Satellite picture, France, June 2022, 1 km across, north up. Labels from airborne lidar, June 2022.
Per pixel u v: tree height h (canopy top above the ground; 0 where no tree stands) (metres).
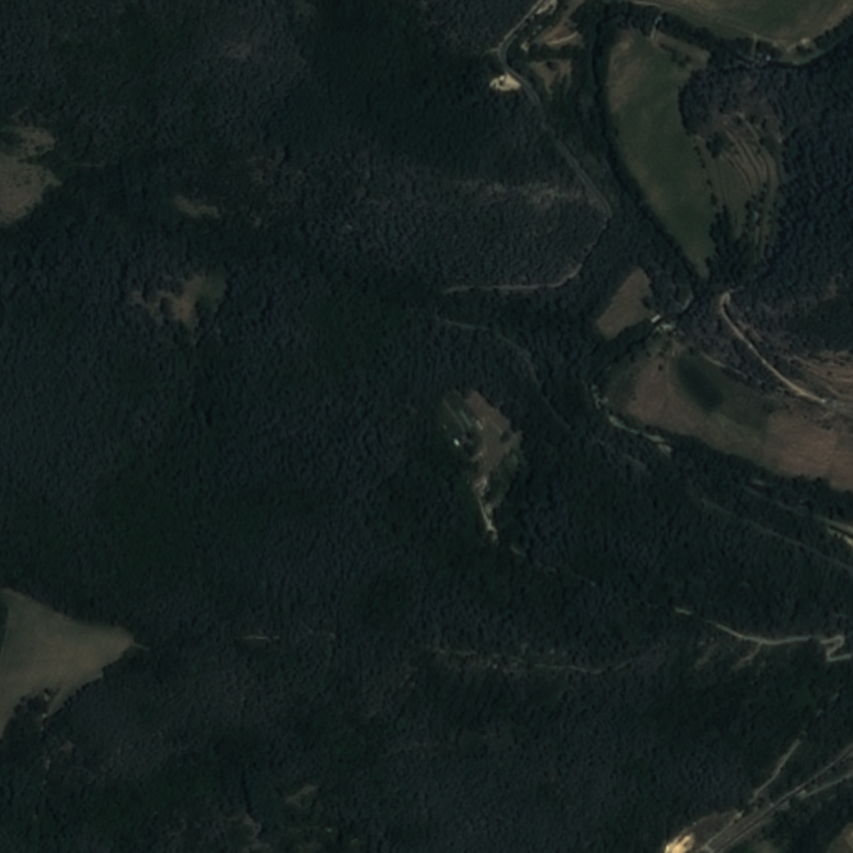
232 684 16
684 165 0
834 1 0
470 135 19
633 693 17
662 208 0
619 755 20
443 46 8
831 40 17
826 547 10
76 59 8
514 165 16
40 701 8
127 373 12
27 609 0
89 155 11
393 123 22
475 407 0
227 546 22
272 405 13
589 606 20
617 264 22
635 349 15
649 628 7
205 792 17
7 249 23
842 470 0
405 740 15
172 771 15
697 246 0
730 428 0
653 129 0
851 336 16
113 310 21
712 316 9
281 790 15
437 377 23
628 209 15
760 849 0
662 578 12
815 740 11
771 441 0
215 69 15
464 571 15
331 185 16
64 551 15
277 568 20
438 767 20
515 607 12
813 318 7
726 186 0
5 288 24
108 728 15
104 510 17
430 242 13
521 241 17
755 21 0
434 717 17
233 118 15
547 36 0
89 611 7
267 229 15
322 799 10
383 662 19
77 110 22
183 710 17
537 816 20
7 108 23
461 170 15
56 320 15
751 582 14
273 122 27
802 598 12
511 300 19
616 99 0
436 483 20
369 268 19
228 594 16
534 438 18
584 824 16
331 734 12
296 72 15
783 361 12
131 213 32
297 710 11
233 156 8
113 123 17
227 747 16
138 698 14
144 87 13
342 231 17
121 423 18
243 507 17
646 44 0
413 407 8
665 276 18
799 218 9
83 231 24
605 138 15
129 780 11
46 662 0
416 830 13
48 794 16
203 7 8
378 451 18
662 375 0
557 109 13
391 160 9
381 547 14
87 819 18
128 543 21
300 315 18
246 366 22
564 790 13
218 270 8
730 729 13
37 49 16
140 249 23
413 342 17
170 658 15
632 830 10
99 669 0
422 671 9
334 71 17
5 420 17
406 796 13
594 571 13
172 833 8
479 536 9
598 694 12
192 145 21
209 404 26
